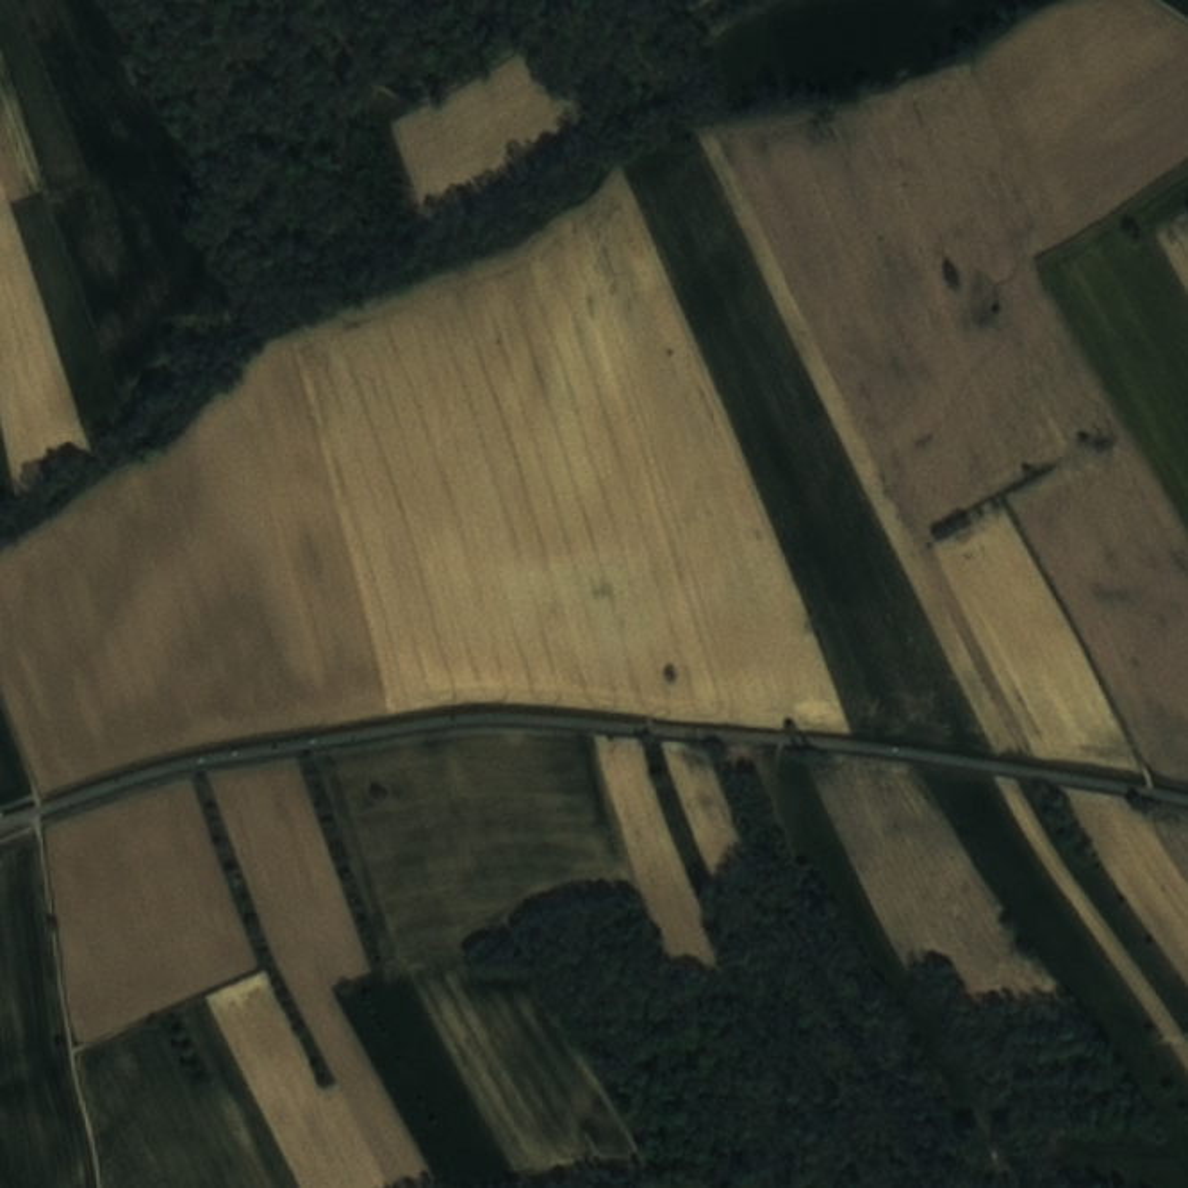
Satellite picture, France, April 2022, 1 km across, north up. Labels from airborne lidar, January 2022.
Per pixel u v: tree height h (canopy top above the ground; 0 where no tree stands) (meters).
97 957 0
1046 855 0
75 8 0
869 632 0
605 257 0
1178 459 0
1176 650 0
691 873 0
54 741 0
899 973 0
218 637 0
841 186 0
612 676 0
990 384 0
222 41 32
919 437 0
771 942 27
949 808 0
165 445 17
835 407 0
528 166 27
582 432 0
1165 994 0
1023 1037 27
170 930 0
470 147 0
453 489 0
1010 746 0
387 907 0
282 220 23
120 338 0
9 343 0
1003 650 0
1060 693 0
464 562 0
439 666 0
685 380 0
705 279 0
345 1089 0
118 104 0
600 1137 0
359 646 0
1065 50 0
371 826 0
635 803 0
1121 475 0
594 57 36
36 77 0
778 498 0
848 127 0
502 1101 0
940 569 0
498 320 0
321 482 0
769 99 23
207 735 0
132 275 0
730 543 0
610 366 0
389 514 0
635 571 0
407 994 0
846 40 0
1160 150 0
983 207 0
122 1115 0
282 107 34
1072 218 0
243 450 0
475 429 0
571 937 27
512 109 0
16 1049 0
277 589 0
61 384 0
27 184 0
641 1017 26
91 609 0
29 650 0
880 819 0
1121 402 0
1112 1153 0
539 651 0
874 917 0
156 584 0
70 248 0
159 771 0
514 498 0
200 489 0
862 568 0
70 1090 0
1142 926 0
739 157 0
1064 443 0
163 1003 0
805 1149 33
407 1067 0
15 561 0
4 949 0
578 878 0
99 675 0
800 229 0
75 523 0
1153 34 0
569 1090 0
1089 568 0
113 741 0
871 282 0
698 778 0
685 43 32
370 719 0
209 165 23
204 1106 0
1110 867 0
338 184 27
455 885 0
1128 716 0
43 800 0
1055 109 0
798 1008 28
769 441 0
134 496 0
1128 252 0
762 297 0
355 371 0
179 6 26
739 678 0
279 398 0
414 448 0
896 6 0
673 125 28
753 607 0
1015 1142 28
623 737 0
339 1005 0
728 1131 26
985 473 0
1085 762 0
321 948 0
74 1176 0
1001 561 0
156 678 0
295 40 34
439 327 0
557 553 0
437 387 0
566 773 0
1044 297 0
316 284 31
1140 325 0
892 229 0
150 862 0
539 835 0
